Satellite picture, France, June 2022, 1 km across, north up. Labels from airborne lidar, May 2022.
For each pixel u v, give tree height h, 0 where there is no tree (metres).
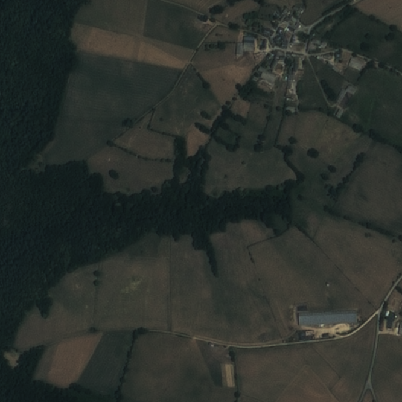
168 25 0
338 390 0
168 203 14
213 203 22
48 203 13
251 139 0
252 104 0
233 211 17
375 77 0
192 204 19
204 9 0
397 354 0
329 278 0
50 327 0
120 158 0
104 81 0
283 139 0
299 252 0
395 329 0
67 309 0
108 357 0
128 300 0
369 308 0
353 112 0
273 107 0
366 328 0
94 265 0
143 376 0
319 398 0
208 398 0
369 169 0
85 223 24
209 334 0
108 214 22
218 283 0
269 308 0
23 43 15
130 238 22
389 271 0
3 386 12
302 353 0
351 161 0
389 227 0
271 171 0
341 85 0
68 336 0
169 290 0
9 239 12
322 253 0
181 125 0
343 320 0
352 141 0
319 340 0
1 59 14
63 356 0
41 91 15
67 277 0
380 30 0
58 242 22
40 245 27
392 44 0
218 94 0
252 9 0
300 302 0
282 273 0
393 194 0
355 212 0
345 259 0
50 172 17
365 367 0
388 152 0
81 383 0
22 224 11
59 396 11
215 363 0
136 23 0
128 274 0
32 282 16
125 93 0
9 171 14
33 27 8
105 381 0
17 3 14
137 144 0
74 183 21
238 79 0
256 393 0
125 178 0
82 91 0
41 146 20
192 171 19
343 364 0
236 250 0
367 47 16
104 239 17
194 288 0
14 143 19
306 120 0
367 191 0
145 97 0
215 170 0
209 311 0
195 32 0
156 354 0
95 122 0
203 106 0
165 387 0
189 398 0
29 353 16
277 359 0
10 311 15
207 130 16
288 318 0
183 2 0
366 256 0
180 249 0
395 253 0
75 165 22
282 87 0
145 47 0
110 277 0
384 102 0
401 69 0
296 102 0
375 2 0
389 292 0
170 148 0
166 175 0
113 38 0
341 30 0
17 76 13
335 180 0
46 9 16
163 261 0
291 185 20
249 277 0
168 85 0
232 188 0
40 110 11
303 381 0
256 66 6
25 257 20
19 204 11
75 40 0
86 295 0
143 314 0
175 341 0
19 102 13
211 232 7
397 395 0
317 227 0
